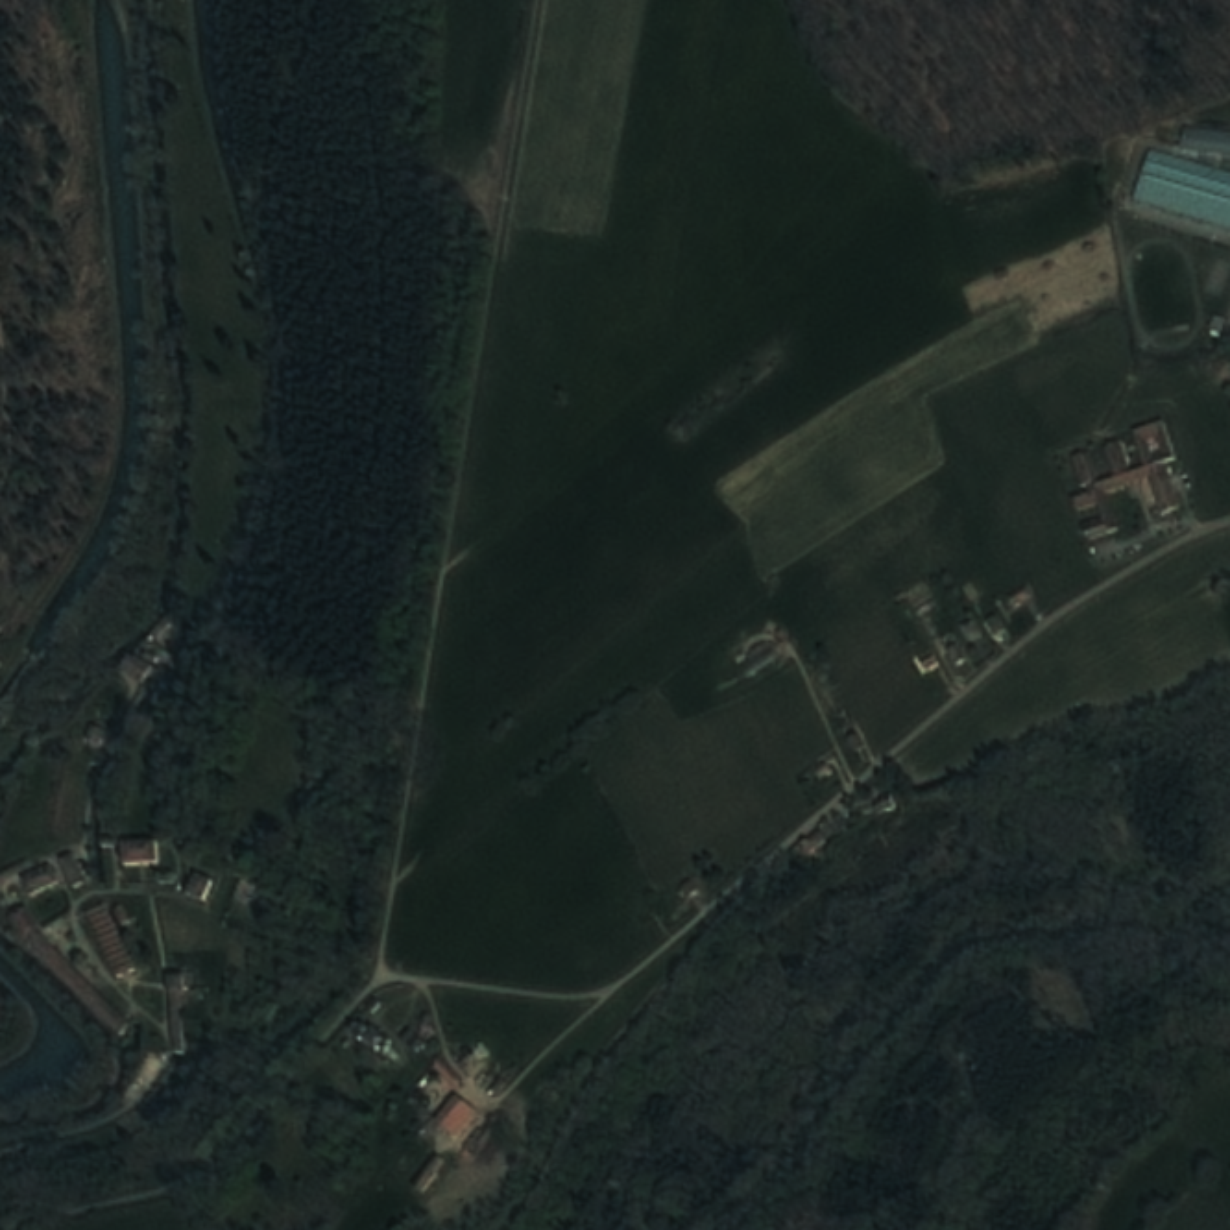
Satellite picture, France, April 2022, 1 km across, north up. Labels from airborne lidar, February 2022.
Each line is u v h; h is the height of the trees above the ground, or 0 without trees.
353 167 24
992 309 0
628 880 0
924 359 0
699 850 0
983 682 0
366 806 27
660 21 0
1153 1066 9
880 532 0
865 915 17
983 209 0
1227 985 24
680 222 0
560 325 0
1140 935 23
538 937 0
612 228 0
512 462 0
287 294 32
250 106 29
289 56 32
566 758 13
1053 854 27
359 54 29
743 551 0
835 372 0
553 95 0
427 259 27
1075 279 0
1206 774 23
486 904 0
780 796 0
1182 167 0
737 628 0
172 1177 0
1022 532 0
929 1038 27
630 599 0
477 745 0
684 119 0
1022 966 23
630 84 0
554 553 0
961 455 0
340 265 27
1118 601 0
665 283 0
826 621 0
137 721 29
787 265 0
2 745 20
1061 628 0
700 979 27
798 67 0
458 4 0
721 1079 22
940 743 0
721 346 0
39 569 25
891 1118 13
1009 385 0
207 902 0
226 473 0
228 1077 30
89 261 0
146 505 20
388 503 28
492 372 0
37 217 26
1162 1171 0
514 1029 0
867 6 32
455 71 0
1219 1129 0
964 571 0
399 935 0
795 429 0
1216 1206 0
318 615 23
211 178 0
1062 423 0
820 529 0
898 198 0
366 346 23
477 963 0
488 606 0
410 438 24
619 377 0
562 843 0
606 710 11
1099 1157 11
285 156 31
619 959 0
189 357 0
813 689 0
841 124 0
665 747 0
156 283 23
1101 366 0
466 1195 0
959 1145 9
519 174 0
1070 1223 25
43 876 0
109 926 0
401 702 32
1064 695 0
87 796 0
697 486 0
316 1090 0
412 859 0
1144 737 24
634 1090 24
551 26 0
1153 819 20
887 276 0
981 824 25
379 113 27
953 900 21
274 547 27
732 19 0
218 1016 8
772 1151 8
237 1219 0
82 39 14
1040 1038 19
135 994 0
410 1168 0
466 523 0
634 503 0
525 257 0
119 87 0
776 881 19
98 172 0
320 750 24
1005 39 26
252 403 0
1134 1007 26
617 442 0
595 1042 0
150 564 18
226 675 38
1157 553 0
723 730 0
